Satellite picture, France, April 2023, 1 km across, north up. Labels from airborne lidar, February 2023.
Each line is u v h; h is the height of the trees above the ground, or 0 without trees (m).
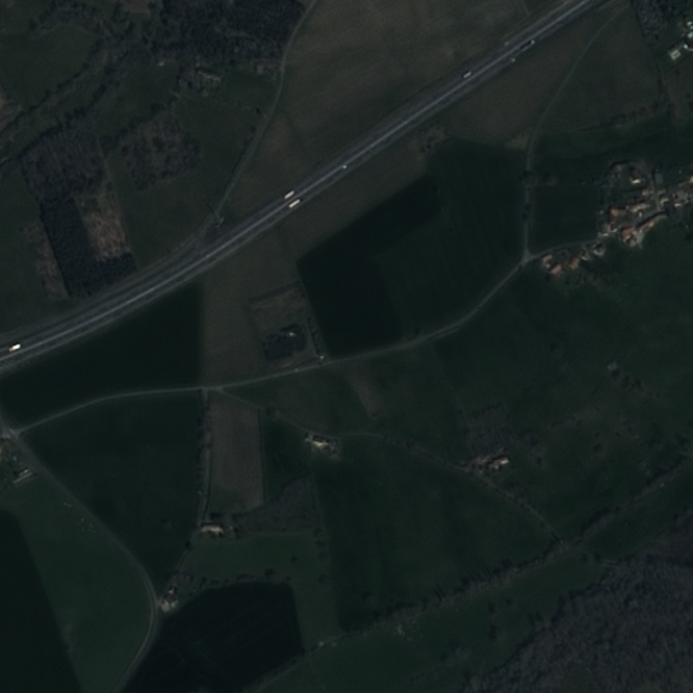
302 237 0
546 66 0
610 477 0
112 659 0
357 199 0
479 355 0
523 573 12
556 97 0
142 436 0
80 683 0
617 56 0
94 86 0
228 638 0
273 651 0
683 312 0
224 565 0
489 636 0
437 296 0
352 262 0
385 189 0
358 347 0
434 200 0
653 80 0
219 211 0
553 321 0
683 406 0
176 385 0
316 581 0
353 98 0
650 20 11
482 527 0
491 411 9
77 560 0
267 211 0
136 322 0
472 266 0
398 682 0
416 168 0
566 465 0
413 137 0
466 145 0
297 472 0
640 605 15
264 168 0
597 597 18
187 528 0
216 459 0
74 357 0
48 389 0
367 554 0
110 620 0
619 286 0
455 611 0
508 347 0
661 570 23
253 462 0
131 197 0
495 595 0
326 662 0
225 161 0
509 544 0
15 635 0
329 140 0
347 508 0
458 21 0
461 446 0
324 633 0
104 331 0
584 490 0
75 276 14
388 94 0
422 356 0
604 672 16
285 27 15
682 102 0
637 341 0
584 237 0
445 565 0
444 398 0
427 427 0
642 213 0
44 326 0
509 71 0
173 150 8
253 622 0
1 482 0
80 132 18
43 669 0
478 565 0
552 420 0
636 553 0
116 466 0
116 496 0
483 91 0
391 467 0
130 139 18
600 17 0
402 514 0
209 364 0
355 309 0
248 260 0
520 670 7
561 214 0
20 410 0
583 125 0
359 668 0
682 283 0
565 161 0
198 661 0
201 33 15
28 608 0
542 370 0
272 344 7
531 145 0
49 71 0
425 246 0
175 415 0
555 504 0
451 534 0
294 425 0
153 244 0
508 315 0
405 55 0
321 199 0
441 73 0
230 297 0
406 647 0
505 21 0
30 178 16
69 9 17
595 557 0
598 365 0
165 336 0
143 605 0
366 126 0
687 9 6
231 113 0
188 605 0
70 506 0
